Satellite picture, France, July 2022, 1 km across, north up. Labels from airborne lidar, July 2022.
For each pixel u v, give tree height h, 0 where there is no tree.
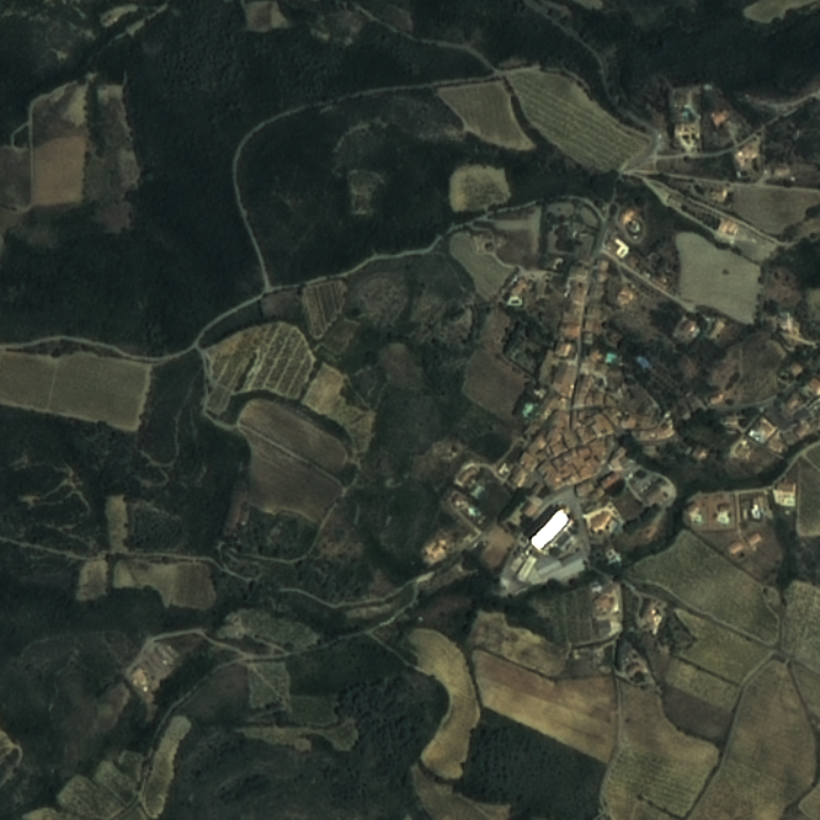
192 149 7
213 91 6
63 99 0
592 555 6
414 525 0
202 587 0
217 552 5
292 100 9
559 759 8
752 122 7
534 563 0
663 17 7
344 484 8
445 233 11
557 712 0
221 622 7
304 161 6
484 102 0
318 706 0
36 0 6
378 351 6
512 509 13
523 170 8
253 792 13
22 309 7
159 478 6
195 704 0
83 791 0
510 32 6
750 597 0
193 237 8
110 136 0
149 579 0
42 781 8
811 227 0
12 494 6
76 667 5
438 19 6
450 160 8
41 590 7
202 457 7
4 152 0
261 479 0
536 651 0
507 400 0
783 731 0
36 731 6
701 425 20
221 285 7
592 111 0
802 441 6
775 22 9
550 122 0
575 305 0
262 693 0
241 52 6
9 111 7
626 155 0
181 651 0
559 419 0
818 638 0
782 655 0
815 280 15
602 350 7
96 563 0
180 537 9
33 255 5
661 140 0
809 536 0
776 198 0
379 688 9
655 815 0
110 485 6
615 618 0
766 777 0
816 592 0
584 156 0
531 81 0
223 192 6
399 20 0
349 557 7
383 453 0
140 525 8
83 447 7
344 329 0
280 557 15
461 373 8
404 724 16
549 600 0
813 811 0
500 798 15
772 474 7
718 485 6
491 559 0
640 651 9
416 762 7
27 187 0
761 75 6
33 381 0
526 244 0
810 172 0
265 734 0
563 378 0
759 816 0
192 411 0
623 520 0
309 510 0
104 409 0
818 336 7
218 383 0
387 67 7
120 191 0
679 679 0
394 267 0
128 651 0
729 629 0
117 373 0
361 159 7
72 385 0
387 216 5
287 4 7
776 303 10
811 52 6
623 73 6
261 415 0
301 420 0
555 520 0
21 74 8
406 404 8
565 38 6
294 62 10
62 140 0
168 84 7
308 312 0
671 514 6
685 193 8
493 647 0
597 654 0
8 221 0
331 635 8
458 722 0
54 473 5
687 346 8
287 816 0
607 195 10
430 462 0
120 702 0
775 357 0
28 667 8
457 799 0
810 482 0
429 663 0
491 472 0
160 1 7
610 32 8
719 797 0
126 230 10
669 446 6
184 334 6
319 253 6
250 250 6
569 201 8
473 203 0
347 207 9
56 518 8
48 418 6
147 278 6
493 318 0
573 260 6
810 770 0
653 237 0
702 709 0
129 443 14
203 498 7
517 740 6
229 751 7
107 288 8
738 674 0
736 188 0
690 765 0
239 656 0
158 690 7
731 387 6
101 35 8
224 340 8
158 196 7
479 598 9
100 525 6
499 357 9
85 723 0
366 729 10
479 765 12
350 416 0
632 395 9
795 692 0
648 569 0
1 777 0
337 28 0
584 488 0
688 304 0
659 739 0
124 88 6
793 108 0
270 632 0
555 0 8
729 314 0
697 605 0
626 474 0
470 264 0
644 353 8
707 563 0
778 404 6
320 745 5
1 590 6
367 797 7
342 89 6
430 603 20
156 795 0
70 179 0
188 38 12
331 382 0
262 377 0
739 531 0
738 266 0
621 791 0
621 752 0
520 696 0
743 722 0
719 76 6
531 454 0
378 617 0
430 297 0
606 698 0
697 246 0
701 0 10
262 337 0
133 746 7
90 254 6
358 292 0
